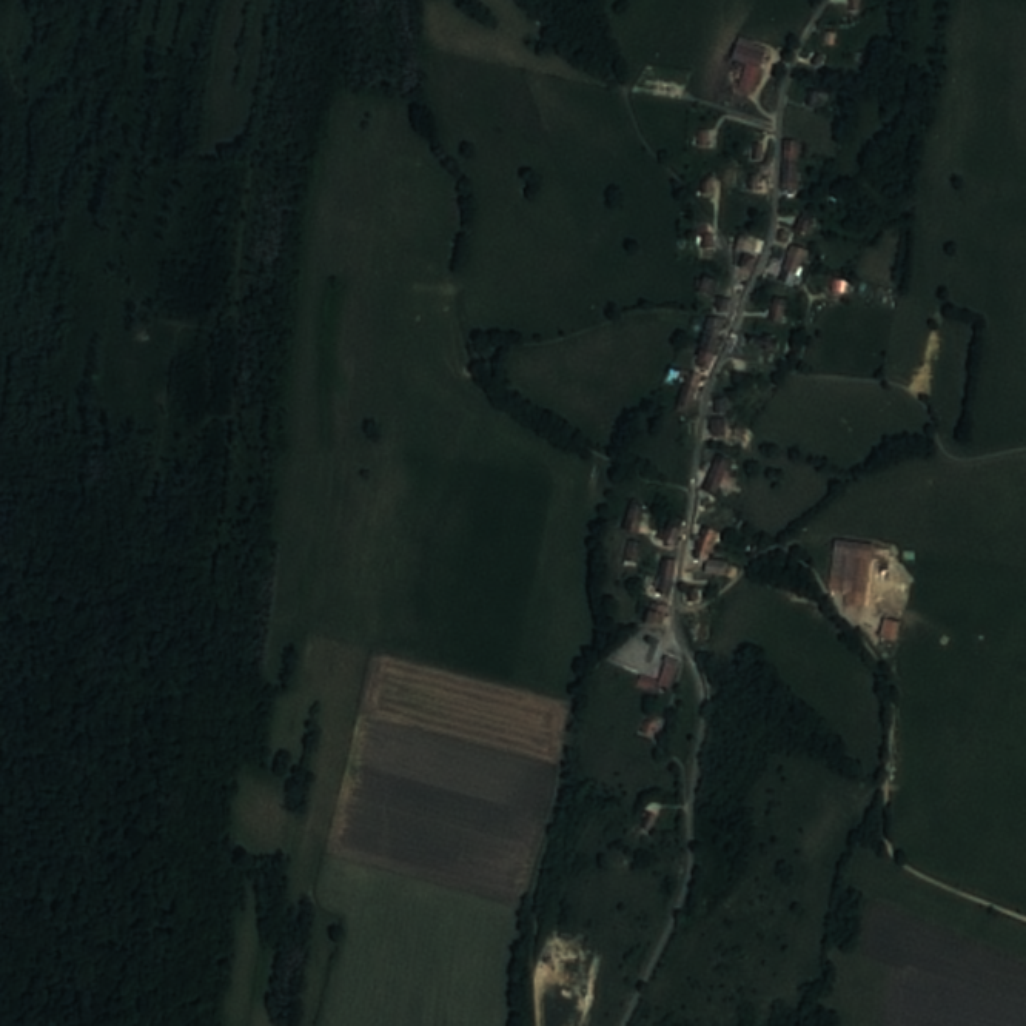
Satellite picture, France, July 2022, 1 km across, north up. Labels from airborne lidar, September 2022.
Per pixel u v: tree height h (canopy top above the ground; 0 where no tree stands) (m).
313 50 18
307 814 15
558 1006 0
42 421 9
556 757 0
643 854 7
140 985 23
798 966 0
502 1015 0
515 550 0
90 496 16
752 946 0
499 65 0
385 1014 0
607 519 11
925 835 0
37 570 18
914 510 0
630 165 0
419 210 0
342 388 0
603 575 18
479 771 0
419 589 0
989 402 0
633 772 0
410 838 0
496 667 0
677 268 0
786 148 0
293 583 0
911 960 0
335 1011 0
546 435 17
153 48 20
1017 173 0
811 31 0
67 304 9
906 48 14
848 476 8
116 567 11
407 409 0
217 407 8
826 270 8
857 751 0
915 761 0
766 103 0
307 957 14
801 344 14
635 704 0
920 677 0
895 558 0
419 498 0
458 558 0
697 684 0
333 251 0
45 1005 16
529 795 0
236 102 0
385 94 12
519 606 0
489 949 0
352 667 0
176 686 20
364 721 0
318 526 0
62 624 22
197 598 16
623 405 0
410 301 0
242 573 19
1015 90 0
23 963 23
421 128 21
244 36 10
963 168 0
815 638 0
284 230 19
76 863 22
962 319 15
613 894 0
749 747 14
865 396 0
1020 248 0
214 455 9
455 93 0
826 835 0
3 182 15
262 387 20
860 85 25
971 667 0
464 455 0
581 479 0
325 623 0
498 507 0
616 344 0
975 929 0
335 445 0
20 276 6
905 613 0
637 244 17
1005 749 0
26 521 16
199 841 24
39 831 17
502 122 0
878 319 0
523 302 0
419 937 0
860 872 0
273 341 20
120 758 24
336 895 0
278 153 20
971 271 0
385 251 0
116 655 18
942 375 0
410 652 0
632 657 0
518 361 0
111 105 20
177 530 21
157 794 21
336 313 0
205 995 24
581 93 0
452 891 0
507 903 0
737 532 11
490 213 0
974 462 0
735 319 0
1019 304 0
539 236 0
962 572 0
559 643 0
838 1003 0
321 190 0
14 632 21
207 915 21
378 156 0
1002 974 0
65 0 12
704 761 15
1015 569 0
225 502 18
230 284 16
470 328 0
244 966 0
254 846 0
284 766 18
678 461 0
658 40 0
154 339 0
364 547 0
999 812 0
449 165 22
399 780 0
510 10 0
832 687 0
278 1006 20
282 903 19
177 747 18
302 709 0
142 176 17
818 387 0
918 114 22
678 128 0
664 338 0
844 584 0
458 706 0
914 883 0
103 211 21
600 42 13
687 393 0
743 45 0
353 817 0
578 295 0
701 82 0
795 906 10
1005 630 0
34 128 14
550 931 0
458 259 12
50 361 9
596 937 0
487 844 0
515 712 0
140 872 23
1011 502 0
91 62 8
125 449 18
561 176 0
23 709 21
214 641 22
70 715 12
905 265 14
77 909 21
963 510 0
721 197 0
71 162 9
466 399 0
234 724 21
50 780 22
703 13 0
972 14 0
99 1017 18
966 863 0
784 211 6
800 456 21
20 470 8
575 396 0
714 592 14
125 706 16
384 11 10
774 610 0
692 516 0
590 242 0
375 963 0
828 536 0
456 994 0
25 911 21
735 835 11
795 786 0
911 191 19
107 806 18
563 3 13
